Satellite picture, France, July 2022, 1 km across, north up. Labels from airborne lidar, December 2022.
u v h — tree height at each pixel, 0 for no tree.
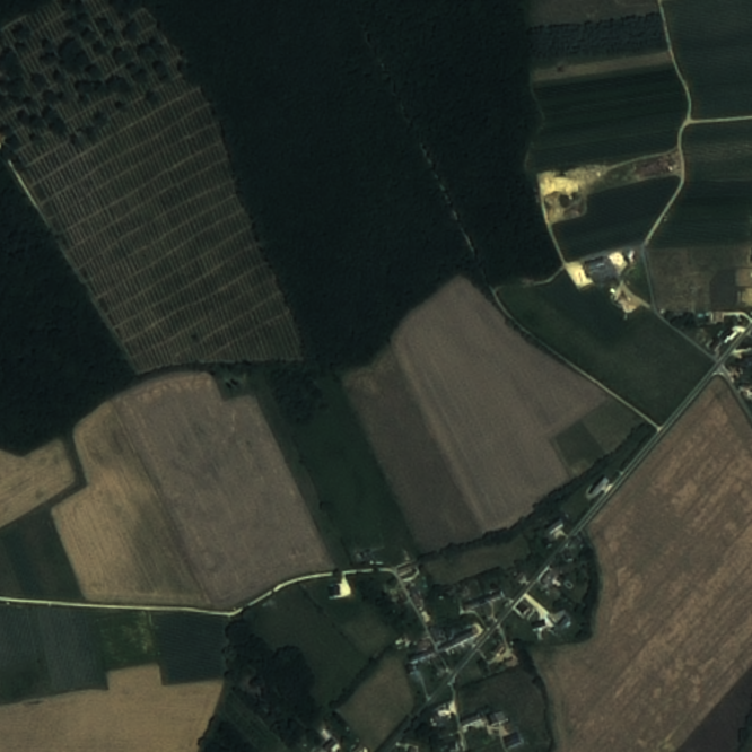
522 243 19
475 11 21
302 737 17
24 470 0
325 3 19
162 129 0
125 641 0
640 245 0
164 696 0
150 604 0
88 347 22
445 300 0
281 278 21
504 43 18
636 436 8
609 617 0
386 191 20
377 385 0
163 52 0
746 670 0
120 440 0
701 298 0
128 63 24
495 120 21
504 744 0
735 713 0
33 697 0
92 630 0
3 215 27
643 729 0
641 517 0
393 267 20
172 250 0
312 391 13
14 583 0
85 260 0
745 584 0
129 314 0
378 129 22
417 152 17
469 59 21
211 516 0
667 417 0
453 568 0
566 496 9
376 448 0
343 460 0
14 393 21
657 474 0
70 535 0
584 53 14
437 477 0
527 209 15
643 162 0
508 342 0
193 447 0
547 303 0
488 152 21
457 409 0
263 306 0
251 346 0
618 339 0
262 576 0
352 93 18
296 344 0
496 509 0
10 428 24
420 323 0
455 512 0
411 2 24
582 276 0
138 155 0
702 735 0
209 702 0
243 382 0
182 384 0
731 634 0
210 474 0
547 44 17
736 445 0
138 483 0
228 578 0
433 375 0
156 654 0
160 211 0
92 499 0
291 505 0
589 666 0
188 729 0
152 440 0
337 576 11
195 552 0
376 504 0
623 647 0
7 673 0
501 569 11
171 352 0
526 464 0
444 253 19
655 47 14
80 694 0
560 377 0
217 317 0
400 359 0
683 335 0
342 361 17
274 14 19
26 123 26
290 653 18
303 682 19
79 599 0
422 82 22
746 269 0
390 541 0
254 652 7
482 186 17
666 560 0
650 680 0
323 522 0
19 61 26
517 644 14
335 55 20
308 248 25
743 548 0
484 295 9
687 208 0
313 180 23
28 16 24
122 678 0
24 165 0
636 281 0
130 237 0
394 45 19
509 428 0
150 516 0
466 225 17
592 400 0
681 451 0
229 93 23
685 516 0
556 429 0
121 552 0
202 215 0
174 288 0
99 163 0
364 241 21
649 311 0
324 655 0
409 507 0
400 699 0
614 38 15
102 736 0
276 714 21
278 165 22
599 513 0
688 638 0
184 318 0
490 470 0
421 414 0
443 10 21
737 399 0
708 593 0
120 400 0
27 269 25
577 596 0
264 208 23
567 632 0
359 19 19
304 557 0
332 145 23
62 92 0
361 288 22
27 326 24
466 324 0
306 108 21
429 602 7
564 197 0
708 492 0
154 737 0
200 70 25
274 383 6
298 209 23
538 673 6
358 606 0
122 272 0
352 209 23
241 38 24
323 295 24
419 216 19
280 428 0
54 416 19
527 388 0
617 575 0
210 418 0
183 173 0
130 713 0
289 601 0
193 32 25
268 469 0
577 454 0
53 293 29
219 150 0
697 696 0
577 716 0
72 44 0
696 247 0
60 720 0
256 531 0
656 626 0
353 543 0
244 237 0
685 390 0
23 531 0
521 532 9
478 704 0
